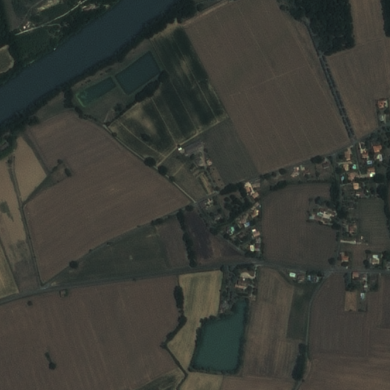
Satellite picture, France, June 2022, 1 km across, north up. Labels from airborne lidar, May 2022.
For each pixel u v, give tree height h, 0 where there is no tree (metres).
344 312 0
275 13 0
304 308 0
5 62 0
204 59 0
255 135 0
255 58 0
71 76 0
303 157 0
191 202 0
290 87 0
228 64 0
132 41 15
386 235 0
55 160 0
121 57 16
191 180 0
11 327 0
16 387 0
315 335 0
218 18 0
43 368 0
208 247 0
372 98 0
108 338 0
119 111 8
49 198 0
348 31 15
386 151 0
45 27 7
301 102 0
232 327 0
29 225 0
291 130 0
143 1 0
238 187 13
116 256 0
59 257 0
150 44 0
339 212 12
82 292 0
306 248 0
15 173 0
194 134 0
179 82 0
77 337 0
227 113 0
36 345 0
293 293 0
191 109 0
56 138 0
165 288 0
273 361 0
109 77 0
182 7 15
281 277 0
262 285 0
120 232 0
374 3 0
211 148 0
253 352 0
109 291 0
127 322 0
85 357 0
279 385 0
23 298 0
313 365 0
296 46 0
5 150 18
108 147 0
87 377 0
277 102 0
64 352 0
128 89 0
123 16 0
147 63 0
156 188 0
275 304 0
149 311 0
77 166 0
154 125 0
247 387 0
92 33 0
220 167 0
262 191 0
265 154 0
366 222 0
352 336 0
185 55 0
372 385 0
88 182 0
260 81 0
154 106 0
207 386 0
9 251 0
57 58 0
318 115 0
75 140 0
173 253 0
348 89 0
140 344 0
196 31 0
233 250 0
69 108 8
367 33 0
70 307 0
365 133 0
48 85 0
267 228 0
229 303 11
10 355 0
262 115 0
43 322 0
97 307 0
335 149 0
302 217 0
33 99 0
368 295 0
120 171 0
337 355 0
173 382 0
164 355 0
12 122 13
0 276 0
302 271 0
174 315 0
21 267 0
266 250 0
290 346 0
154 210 0
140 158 0
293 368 0
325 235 0
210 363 0
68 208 0
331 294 0
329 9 15
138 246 0
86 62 0
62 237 0
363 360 0
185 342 0
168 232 0
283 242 0
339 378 0
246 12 0
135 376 0
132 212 0
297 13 23
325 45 7
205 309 0
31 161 0
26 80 0
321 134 0
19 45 9
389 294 0
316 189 0
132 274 0
